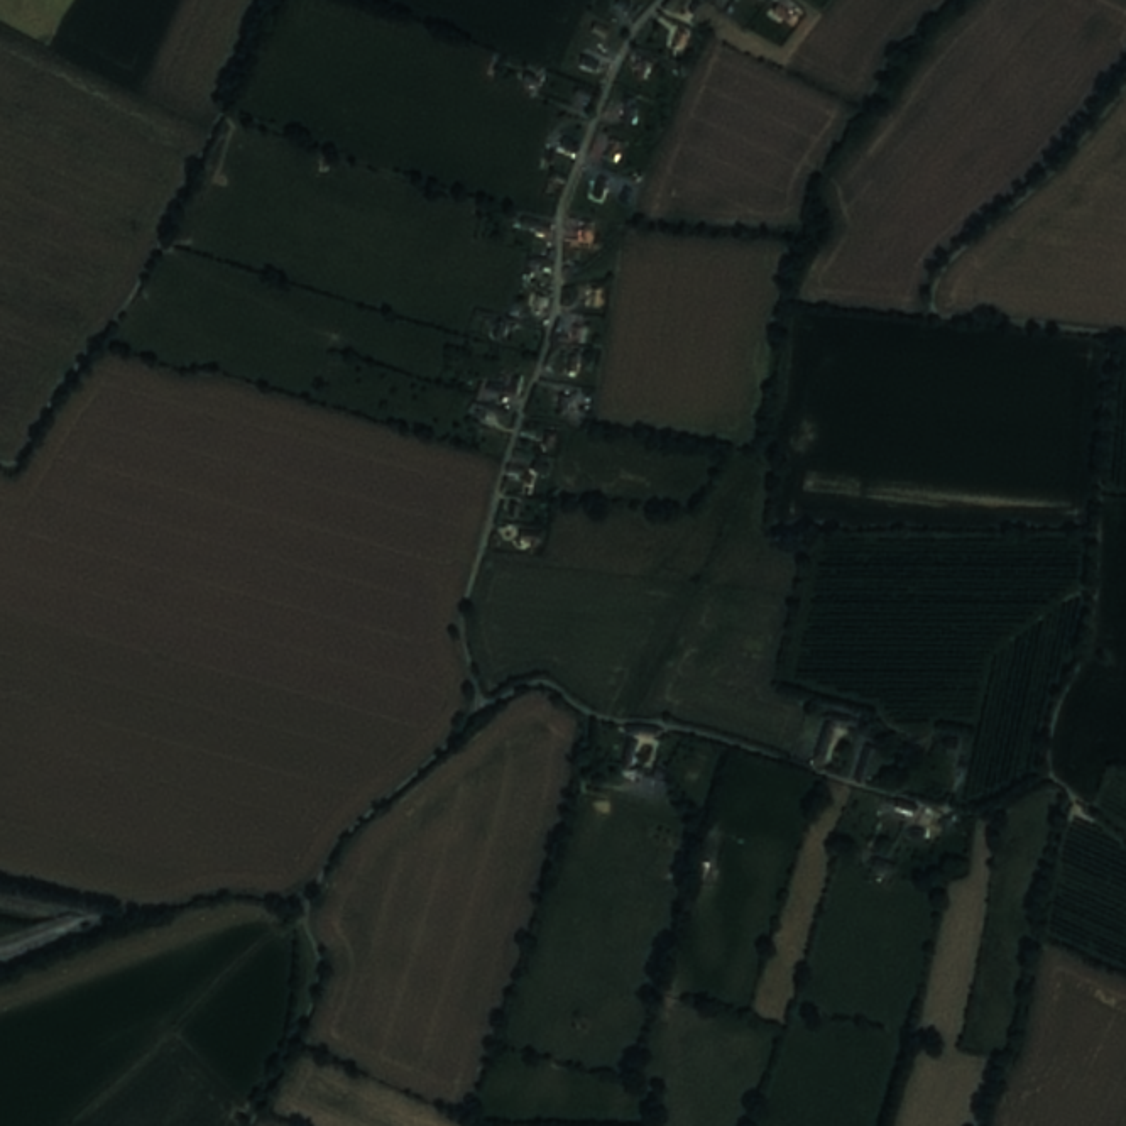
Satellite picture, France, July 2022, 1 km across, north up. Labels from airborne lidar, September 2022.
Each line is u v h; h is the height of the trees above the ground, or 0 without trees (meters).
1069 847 6
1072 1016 0
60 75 0
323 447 0
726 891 0
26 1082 0
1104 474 9
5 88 0
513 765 0
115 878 0
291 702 0
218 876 0
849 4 0
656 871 0
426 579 0
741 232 13
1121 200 0
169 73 0
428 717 0
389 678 0
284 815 0
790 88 0
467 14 0
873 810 0
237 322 0
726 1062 0
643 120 0
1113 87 22
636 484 0
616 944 0
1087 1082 0
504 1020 17
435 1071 0
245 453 0
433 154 0
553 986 0
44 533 0
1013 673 6
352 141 0
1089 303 0
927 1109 0
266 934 0
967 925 0
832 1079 0
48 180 0
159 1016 0
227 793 0
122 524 0
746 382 0
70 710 0
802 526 13
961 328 10
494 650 0
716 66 0
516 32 0
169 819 0
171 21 0
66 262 0
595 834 0
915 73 0
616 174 0
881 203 0
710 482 6
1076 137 17
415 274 0
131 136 0
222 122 5
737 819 0
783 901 7
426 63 0
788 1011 8
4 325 0
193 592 0
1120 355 12
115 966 0
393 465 0
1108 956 7
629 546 0
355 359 12
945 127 0
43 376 0
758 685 0
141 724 0
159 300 0
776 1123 0
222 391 0
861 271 0
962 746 0
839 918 0
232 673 0
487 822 0
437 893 0
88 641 0
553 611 0
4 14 0
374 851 0
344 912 0
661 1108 18
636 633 0
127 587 0
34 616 0
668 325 0
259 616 0
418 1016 0
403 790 6
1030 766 6
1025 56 0
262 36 19
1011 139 0
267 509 0
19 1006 0
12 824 0
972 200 0
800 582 8
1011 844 0
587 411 8
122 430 0
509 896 0
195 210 0
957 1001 0
